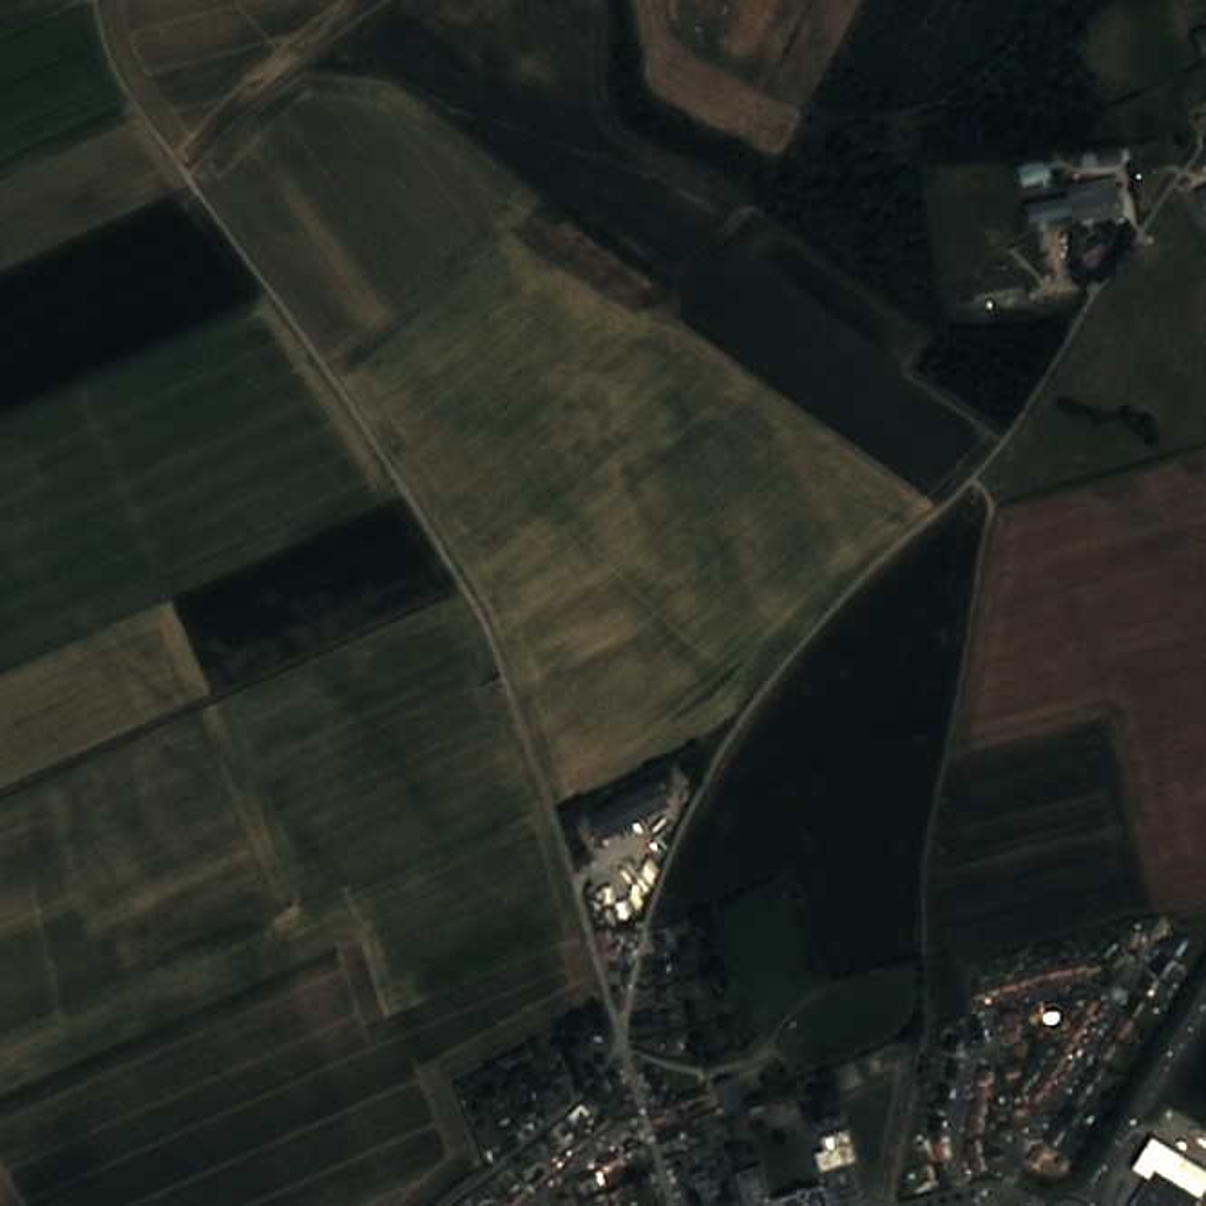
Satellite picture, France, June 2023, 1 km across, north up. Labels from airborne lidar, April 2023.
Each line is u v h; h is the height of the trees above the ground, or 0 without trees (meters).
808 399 0
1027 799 0
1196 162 0
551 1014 0
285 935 0
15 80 0
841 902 0
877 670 0
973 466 0
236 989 0
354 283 0
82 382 0
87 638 0
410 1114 0
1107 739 0
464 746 0
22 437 0
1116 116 0
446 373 0
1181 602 0
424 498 0
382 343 0
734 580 0
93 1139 0
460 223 0
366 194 0
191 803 0
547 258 0
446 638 0
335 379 0
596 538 0
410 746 0
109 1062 0
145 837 0
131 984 0
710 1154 0
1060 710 0
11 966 0
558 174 0
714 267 0
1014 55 7
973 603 0
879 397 0
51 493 0
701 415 0
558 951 0
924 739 0
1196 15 0
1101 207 0
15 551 0
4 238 0
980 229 0
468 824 0
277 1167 0
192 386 0
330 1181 0
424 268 0
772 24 0
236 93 0
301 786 0
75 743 0
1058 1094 0
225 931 0
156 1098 0
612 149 0
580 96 0
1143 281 0
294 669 0
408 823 0
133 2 0
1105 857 0
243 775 0
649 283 0
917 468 0
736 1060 0
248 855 0
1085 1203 0
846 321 0
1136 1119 0
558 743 0
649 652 0
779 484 0
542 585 0
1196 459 0
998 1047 0
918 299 7
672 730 0
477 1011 0
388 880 0
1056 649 0
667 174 0
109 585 0
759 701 0
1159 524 0
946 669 0
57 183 0
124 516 0
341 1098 0
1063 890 0
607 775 0
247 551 0
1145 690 0
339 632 0
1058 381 0
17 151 0
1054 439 0
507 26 0
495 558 0
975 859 0
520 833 0
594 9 0
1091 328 0
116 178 0
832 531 0
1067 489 0
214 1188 0
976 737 0
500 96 0
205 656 0
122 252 0
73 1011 0
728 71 0
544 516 0
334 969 0
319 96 0
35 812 0
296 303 0
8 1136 0
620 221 0
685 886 0
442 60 0
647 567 0
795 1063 0
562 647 0
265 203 0
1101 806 0
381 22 0
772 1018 0
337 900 0
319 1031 0
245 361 0
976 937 0
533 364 0
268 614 0
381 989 0
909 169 12
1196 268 0
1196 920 0
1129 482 0
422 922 0
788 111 0
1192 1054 0
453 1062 0
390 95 0
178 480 0
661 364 0
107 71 0
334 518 0
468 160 0
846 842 0
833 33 0
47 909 0
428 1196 0
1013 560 0
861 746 0
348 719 0
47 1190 0
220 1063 0
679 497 0
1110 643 0
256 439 0
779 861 0
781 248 0
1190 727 0
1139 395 0
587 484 0
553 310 0
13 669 0
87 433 0
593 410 0
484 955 0
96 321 0
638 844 0
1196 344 0
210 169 0
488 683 0
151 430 0
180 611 0
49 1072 0
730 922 0
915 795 0
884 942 0
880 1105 0
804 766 0
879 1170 0
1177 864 0
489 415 0
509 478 0
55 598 0
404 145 0
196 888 0
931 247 9
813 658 0
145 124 0
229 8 0
